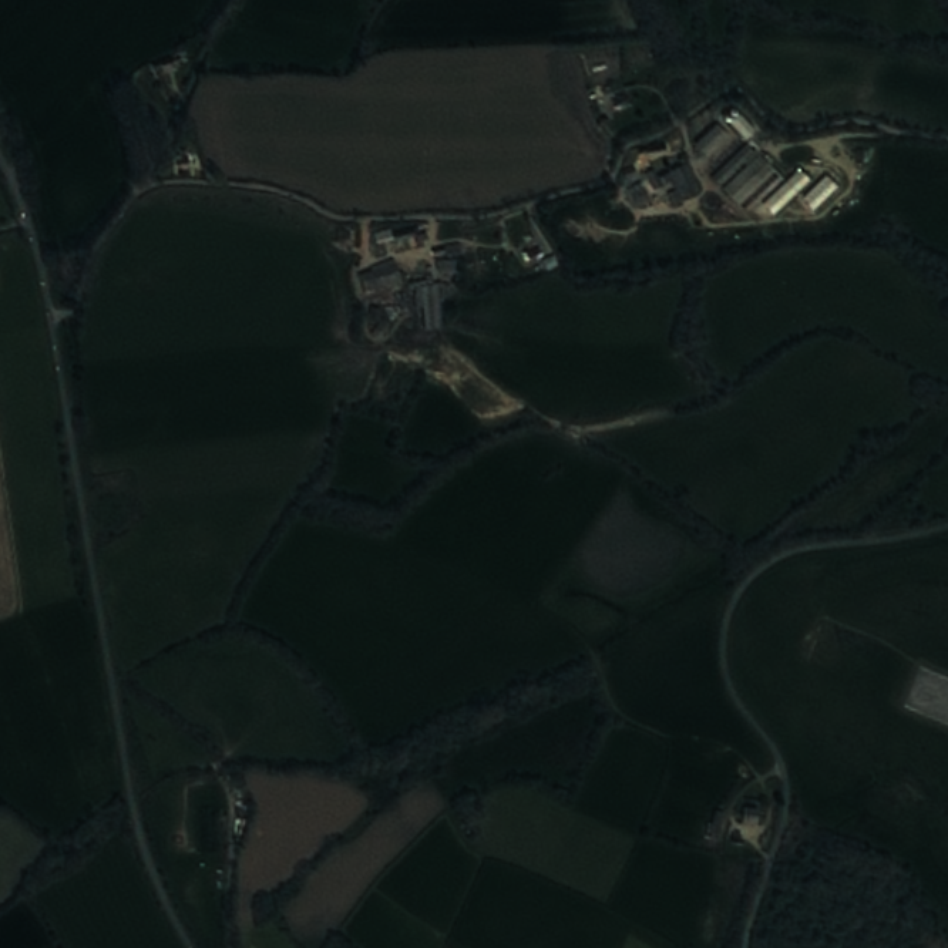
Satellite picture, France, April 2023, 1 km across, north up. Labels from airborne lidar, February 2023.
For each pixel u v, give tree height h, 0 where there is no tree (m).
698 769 0
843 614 0
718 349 0
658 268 13
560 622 0
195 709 0
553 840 0
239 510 0
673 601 0
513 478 0
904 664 0
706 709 0
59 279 18
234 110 0
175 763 0
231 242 0
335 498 13
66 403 0
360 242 0
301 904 0
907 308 0
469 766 0
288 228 0
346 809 0
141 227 0
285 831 0
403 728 0
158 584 0
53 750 0
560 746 0
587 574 0
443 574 0
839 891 12
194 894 0
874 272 0
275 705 0
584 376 0
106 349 0
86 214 0
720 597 0
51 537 0
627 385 0
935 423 0
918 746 0
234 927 13
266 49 0
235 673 0
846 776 0
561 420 0
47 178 0
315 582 0
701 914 0
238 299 0
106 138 0
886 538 0
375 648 0
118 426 0
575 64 0
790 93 0
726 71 12
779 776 0
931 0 9
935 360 0
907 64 0
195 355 0
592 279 12
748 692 0
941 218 0
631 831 0
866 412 0
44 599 0
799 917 7
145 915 0
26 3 0
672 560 0
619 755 0
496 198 0
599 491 0
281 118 0
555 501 0
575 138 0
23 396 0
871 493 0
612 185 18
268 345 0
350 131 0
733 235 0
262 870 0
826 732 0
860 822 0
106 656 0
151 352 0
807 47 0
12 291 0
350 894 0
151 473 0
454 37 0
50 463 0
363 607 0
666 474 0
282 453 0
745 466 0
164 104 0
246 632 11
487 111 0
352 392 0
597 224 0
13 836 0
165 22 0
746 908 8
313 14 0
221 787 0
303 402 0
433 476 16
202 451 0
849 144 0
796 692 0
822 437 0
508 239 0
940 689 0
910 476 0
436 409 0
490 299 0
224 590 0
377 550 0
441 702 0
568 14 0
